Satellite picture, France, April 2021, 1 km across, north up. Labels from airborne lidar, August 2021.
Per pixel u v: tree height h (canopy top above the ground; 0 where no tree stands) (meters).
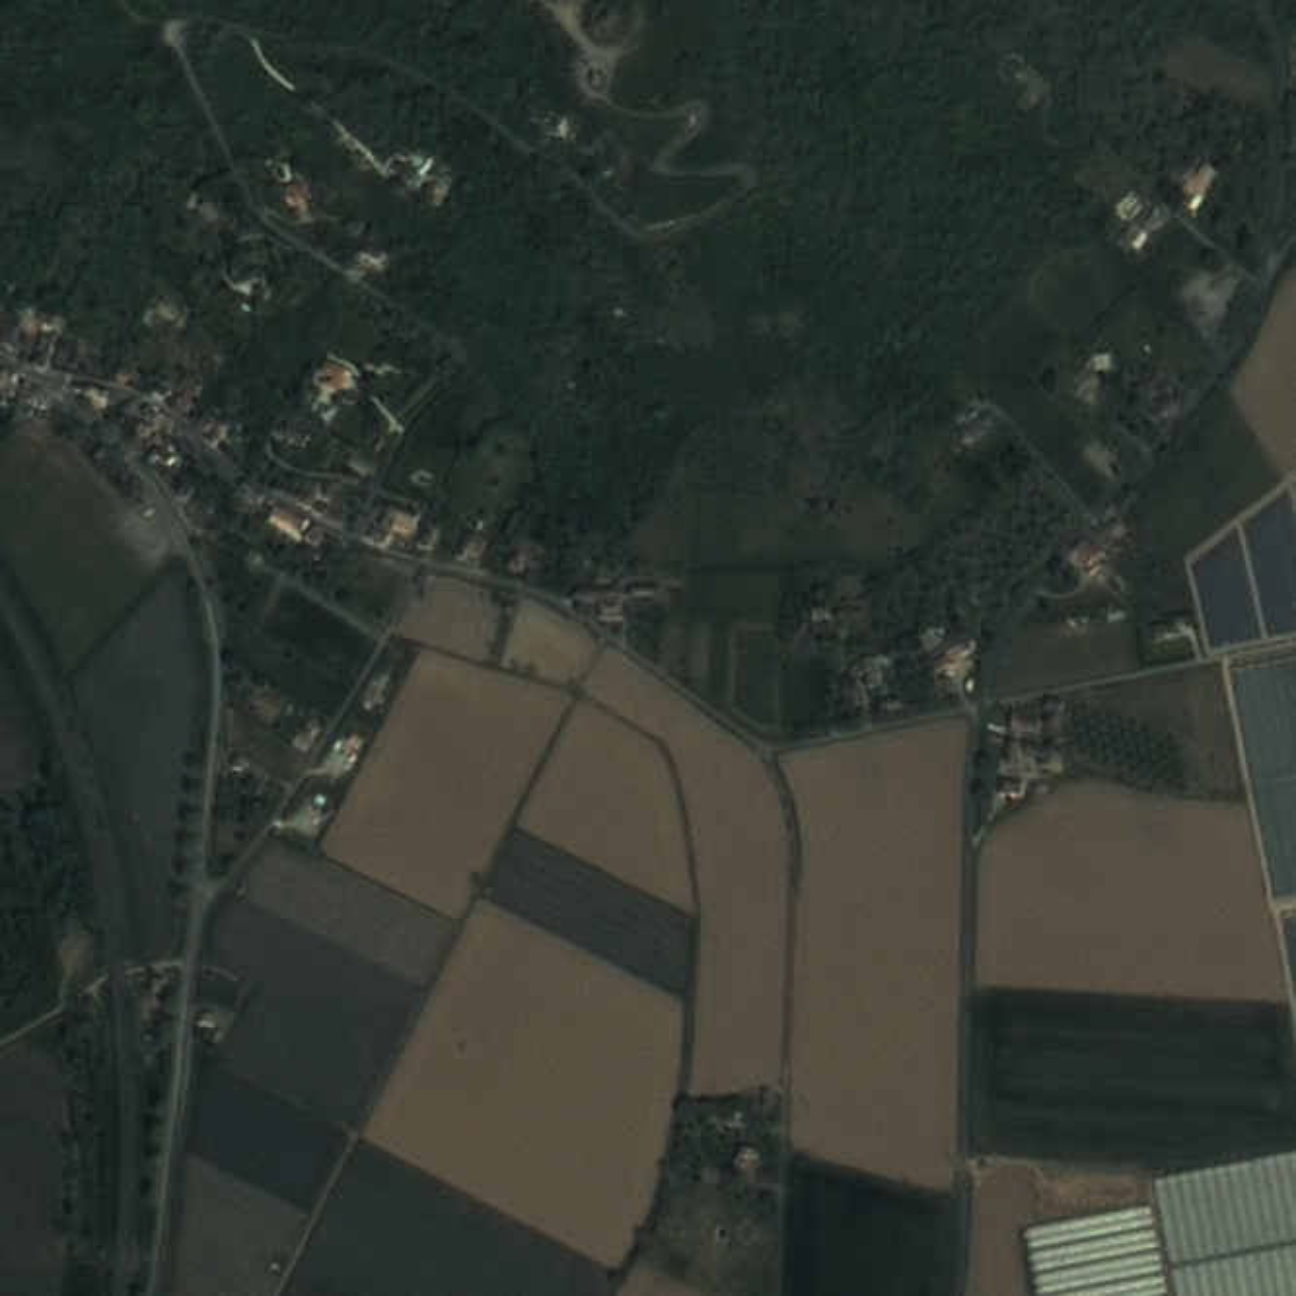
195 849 23
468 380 11
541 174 16
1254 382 0
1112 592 0
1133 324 0
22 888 24
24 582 0
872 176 9
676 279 9
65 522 0
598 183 17
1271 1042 0
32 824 15
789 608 6
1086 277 0
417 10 9
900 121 9
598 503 6
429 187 8
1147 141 10
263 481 6
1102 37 17
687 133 0
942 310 10
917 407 15
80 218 12
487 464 0
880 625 10
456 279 6
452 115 11
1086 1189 0
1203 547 0
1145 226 0
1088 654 0
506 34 8
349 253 6
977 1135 0
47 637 0
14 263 14
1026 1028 0
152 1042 11
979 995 0
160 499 0
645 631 0
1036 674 0
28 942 22
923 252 10
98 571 0
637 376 6
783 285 7
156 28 0
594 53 0
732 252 6
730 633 0
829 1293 0
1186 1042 0
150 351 0
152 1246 0
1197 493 0
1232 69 0
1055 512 10
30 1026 0
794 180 14
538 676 12
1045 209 10
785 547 0
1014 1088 0
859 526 0
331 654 0
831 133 16
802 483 0
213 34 8
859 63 16
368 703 0
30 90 7
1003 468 8
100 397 0
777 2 15
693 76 12
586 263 13
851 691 0
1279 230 8
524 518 11
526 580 14
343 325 0
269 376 10
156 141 6
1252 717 0
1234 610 0
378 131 15
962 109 15
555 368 12
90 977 0
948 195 7
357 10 6
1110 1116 0
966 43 10
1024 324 0
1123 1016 0
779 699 0
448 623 0
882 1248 0
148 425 0
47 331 0
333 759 0
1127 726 9
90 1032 18
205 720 0
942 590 13
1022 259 8
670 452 9
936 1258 0
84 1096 15
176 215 0
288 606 0
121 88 7
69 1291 0
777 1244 0
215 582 7
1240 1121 0
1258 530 0
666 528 0
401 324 13
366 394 11
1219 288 0
